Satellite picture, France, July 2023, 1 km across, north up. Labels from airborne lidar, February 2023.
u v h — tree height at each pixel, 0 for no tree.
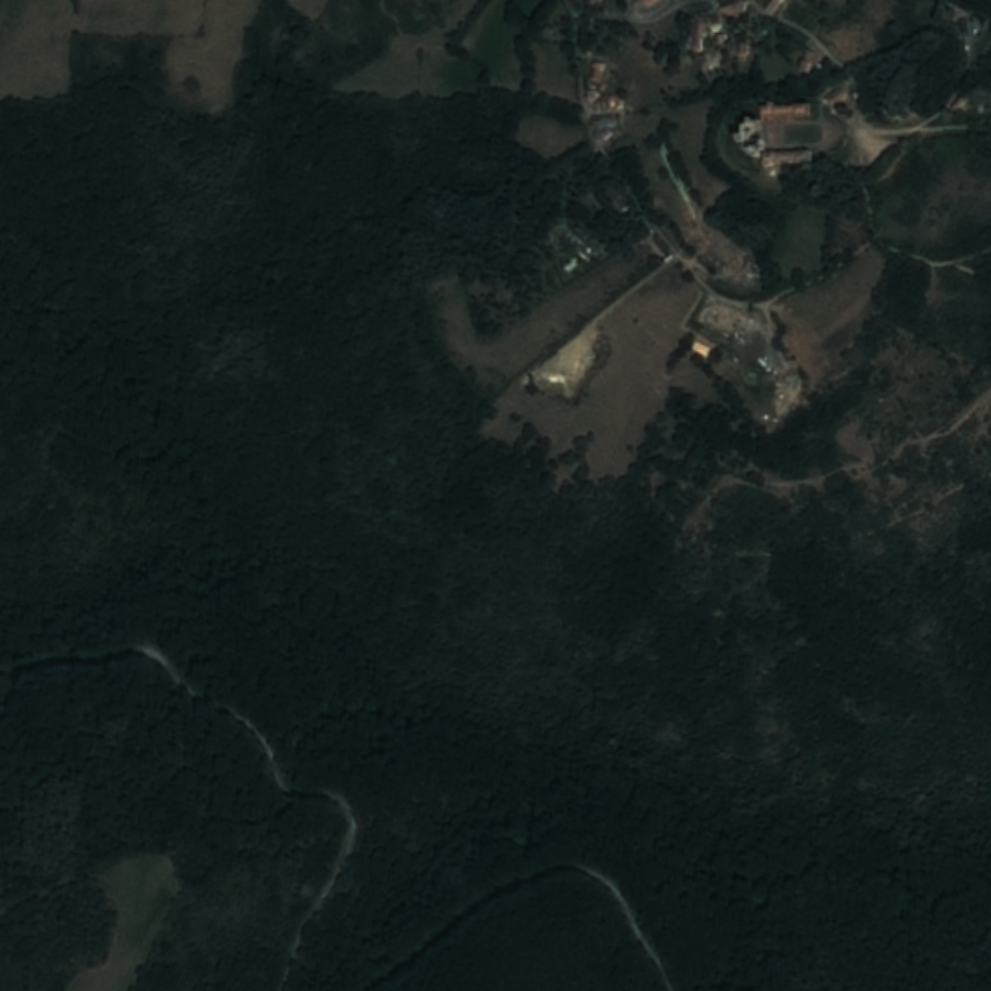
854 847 26
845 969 23
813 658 19
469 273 14
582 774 20
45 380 24
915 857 25
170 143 5
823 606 11
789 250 0
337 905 23
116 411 27
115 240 18
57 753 18
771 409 0
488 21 0
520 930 21
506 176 9
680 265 6
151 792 6
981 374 7
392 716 27
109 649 21
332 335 17
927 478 12
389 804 22
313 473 7
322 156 11
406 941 25
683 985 24
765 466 7
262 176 12
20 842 22
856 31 0
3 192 14
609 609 21
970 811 10
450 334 0
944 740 15
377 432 6
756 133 0
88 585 9
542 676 7
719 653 13
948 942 22
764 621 12
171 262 14
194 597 29
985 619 13
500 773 26
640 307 0
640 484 15
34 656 15
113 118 13
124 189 7
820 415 9
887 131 0
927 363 0
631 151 11
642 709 19
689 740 8
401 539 14
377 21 0
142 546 19
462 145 14
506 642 9
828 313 0
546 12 13
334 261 19
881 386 6
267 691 23
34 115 14
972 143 10
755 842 22
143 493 8
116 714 18
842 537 10
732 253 0
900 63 13
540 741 25
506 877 22
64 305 22
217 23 0
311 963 26
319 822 14
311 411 8
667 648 12
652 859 21
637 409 0
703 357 13
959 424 0
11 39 0
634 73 0
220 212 8
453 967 18
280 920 12
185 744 16
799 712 10
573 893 21
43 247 21
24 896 8
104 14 0
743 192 13
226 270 14
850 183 26
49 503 10
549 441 8
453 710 25
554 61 0
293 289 22
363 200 11
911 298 9
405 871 26
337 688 10
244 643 27
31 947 9
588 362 0
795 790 25
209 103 0
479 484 11
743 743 15
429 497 7
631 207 16
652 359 0
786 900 25
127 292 7
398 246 16
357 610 22
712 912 22
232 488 19
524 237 17
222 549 27
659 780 17
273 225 15
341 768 25
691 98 13
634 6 0
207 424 12
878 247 9
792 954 19
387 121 10
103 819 6
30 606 20
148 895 0
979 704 14
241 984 12
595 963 23
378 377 12
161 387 22
